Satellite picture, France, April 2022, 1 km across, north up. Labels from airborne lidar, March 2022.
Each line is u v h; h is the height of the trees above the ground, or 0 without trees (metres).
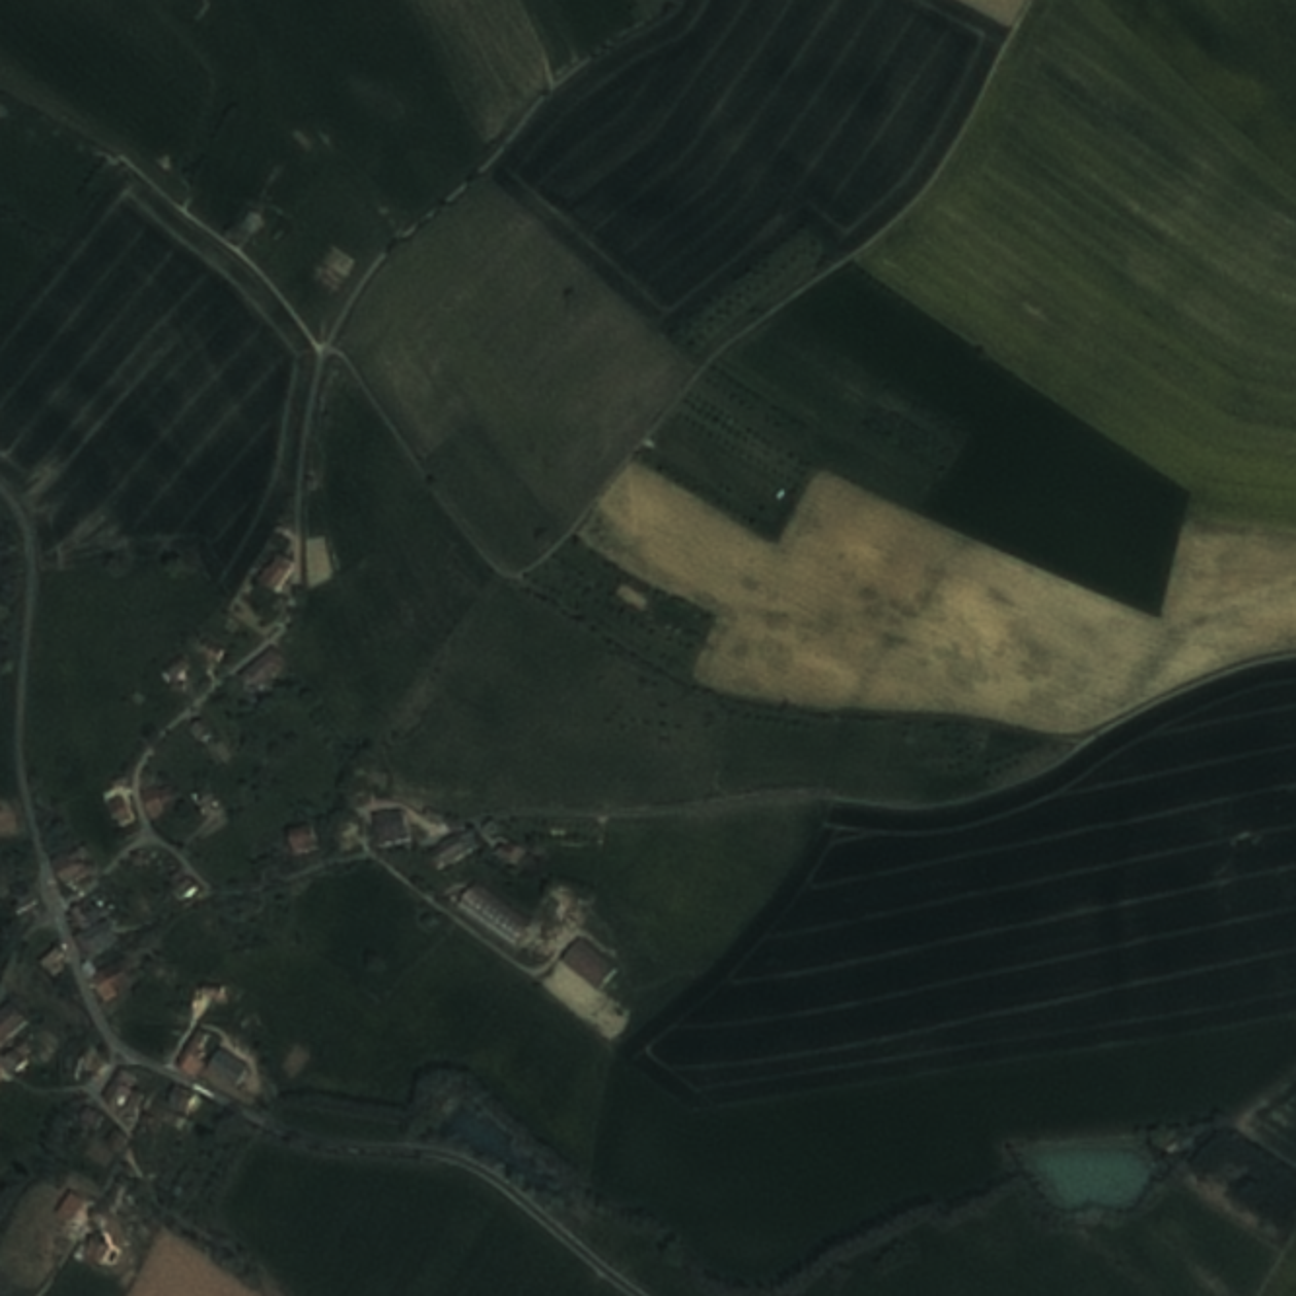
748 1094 0
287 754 11
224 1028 0
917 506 0
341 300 0
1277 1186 17
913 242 0
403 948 0
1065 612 0
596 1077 0
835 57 0
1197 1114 0
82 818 0
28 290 0
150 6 0
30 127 0
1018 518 0
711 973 0
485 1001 0
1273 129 0
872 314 0
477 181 8
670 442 0
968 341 0
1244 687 0
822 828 0
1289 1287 0
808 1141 0
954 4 0
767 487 0
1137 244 0
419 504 0
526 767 0
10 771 0
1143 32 0
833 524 0
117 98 0
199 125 0
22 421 0
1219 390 0
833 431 0
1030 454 0
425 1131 16
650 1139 0
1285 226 0
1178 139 0
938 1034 0
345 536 0
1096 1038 0
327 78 0
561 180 0
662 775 0
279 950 0
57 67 0
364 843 0
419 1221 0
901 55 0
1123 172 0
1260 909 0
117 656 0
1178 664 0
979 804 0
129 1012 0
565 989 0
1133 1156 0
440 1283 0
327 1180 0
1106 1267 0
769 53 0
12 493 0
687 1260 19
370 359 0
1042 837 0
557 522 0
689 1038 0
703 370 0
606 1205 14
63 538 0
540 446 0
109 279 0
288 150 0
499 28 0
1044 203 0
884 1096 0
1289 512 0
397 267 0
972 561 0
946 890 0
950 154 0
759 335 0
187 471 0
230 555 0
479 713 0
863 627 0
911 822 0
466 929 0
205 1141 13
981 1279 0
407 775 0
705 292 0
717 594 0
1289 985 0
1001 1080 0
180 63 0
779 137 0
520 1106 0
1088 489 0
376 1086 0
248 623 0
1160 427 0
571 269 0
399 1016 0
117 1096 0
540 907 0
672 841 0
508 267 0
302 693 14
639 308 0
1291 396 0
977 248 0
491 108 0
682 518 0
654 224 0
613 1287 0
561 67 0
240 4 0
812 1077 0
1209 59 0
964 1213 18
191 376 0
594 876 0
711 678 0
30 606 0
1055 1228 15
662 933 0
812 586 0
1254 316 0
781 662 0
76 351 0
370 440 0
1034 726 0
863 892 0
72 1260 0
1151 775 0
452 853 0
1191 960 0
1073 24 0
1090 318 0
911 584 0
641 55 0
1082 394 0
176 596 0
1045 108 0
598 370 0
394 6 0
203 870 0
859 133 0
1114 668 0
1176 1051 0
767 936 0
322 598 0
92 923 0
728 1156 0
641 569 0
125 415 0
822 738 0
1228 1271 0
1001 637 0
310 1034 0
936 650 0
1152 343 0
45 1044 0
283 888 10
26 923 0
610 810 0
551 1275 0
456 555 0
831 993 0
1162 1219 0
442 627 0
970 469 0
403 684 0
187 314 0
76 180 0
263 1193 0
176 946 0
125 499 0
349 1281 0
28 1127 0
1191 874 0
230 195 0
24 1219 0
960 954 0
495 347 0
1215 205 0
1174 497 0
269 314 0
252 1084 0
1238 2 0
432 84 0
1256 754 0
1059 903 0
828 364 0
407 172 0
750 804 0
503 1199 0
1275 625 0
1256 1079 0
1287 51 0
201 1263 0
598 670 0
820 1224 0
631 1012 0
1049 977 0
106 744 0
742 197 0
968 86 0
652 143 0
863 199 0
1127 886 0
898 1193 0
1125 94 0
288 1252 0
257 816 0
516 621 0
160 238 0
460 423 0
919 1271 0
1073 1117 0
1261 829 0
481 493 0
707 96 0
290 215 0
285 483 0
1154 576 0
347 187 0
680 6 9
